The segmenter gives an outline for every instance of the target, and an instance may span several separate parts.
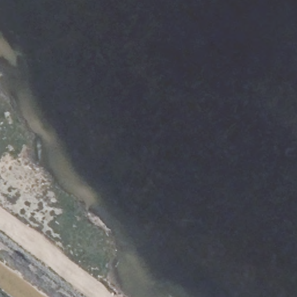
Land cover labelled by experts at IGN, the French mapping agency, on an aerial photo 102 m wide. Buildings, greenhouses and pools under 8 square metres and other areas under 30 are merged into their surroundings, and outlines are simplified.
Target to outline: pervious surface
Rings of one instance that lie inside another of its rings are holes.
[[[6,266],[6,261],[0,261],[0,297],[50,297],[27,281],[21,271]]]
[[[0,208],[0,229],[88,297],[117,297],[95,278],[75,265],[63,252],[41,233],[30,229]]]

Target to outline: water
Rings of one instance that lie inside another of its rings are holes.
[[[43,168],[46,174],[49,173],[52,179],[61,190],[77,198],[81,210],[87,213],[87,217],[95,225],[101,226],[107,236],[110,234],[117,248],[115,258],[111,262],[114,277],[119,290],[128,297],[297,297],[297,0],[0,0],[0,81],[2,87],[7,90],[13,108],[27,126],[30,136],[34,138],[32,147],[27,147],[28,157],[38,167]]]

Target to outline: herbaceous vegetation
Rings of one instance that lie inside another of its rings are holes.
[[[7,90],[2,87],[0,81],[0,159],[3,155],[9,154],[15,159],[19,157],[23,145],[27,147],[32,147],[34,138],[30,136],[27,126],[13,108]]]
[[[50,297],[88,297],[0,229],[0,261],[6,261],[6,266],[21,271],[27,281]]]
[[[87,213],[81,210],[77,198],[61,190],[52,179],[51,190],[55,193],[57,201],[52,202],[50,207],[61,209],[61,213],[52,218],[49,226],[59,234],[61,244],[71,245],[63,252],[75,265],[95,278],[97,275],[114,277],[111,262],[115,258],[117,248],[110,234],[107,236],[101,226],[95,225],[87,217]]]

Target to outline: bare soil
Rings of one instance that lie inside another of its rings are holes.
[[[97,275],[95,278],[117,297],[128,297],[119,290],[114,277]]]
[[[27,147],[23,145],[19,157],[15,159],[9,154],[3,155],[0,159],[0,208],[30,229],[41,233],[63,252],[71,245],[61,244],[59,234],[49,226],[52,218],[61,213],[61,209],[50,207],[52,202],[57,201],[55,193],[51,190],[52,179],[49,173],[46,174],[43,168],[38,167],[28,157]]]

